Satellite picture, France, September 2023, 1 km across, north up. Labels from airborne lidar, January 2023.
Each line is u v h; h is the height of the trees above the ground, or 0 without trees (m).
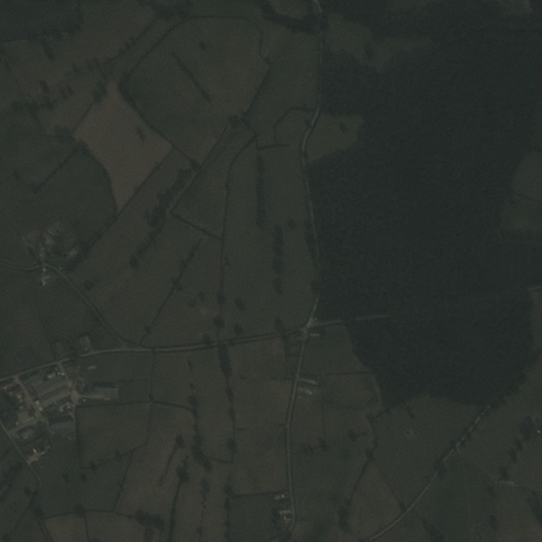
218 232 0
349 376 0
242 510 0
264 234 0
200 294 7
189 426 0
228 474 0
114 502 0
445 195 22
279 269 15
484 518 0
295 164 0
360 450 0
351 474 0
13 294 0
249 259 0
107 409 0
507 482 0
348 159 17
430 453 0
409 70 19
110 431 0
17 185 0
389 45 0
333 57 20
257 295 0
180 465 0
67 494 0
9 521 0
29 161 0
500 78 18
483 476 0
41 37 0
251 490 0
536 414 0
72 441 0
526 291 19
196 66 0
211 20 0
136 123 0
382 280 9
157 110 0
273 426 0
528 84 16
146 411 0
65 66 0
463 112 13
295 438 0
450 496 0
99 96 16
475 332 13
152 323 0
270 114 0
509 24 12
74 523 0
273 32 0
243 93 0
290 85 0
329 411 0
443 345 10
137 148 0
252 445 0
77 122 0
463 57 16
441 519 0
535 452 0
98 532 0
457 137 20
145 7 0
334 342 0
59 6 0
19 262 0
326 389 0
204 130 0
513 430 0
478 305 14
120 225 0
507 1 10
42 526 0
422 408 0
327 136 0
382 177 17
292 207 0
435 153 19
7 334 0
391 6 0
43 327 0
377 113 19
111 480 0
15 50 0
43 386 0
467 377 13
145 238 0
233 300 0
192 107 0
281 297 0
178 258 0
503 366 15
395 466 0
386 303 22
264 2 13
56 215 0
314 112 0
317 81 0
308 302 0
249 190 0
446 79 18
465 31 12
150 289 0
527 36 8
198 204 0
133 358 0
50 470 0
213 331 0
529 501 6
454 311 14
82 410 0
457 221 16
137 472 0
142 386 0
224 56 0
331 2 18
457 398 15
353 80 22
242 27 0
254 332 0
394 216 19
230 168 0
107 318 0
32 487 0
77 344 0
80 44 0
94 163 0
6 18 0
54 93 0
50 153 0
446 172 22
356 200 21
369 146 22
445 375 24
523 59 20
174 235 0
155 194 0
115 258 0
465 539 0
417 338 19
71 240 0
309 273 0
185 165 0
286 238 0
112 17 0
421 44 0
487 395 17
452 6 18
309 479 0
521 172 0
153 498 0
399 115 19
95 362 0
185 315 0
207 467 15
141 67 0
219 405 0
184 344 0
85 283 0
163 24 0
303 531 0
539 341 0
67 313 0
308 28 16
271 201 0
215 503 0
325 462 0
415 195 26
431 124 19
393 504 0
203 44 9
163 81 0
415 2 0
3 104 0
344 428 0
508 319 14
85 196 0
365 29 0
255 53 0
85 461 0
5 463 0
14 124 0
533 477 0
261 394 0
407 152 22
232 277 0
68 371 0
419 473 0
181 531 0
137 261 14
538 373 0
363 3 17
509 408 0
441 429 0
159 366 0
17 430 0
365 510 0
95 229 0
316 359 0
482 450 0
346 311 18
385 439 0
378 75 19
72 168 0
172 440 0
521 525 0
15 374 0
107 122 0
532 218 0
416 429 0
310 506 0
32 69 0
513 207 0
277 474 0
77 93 0
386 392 16
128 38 0
